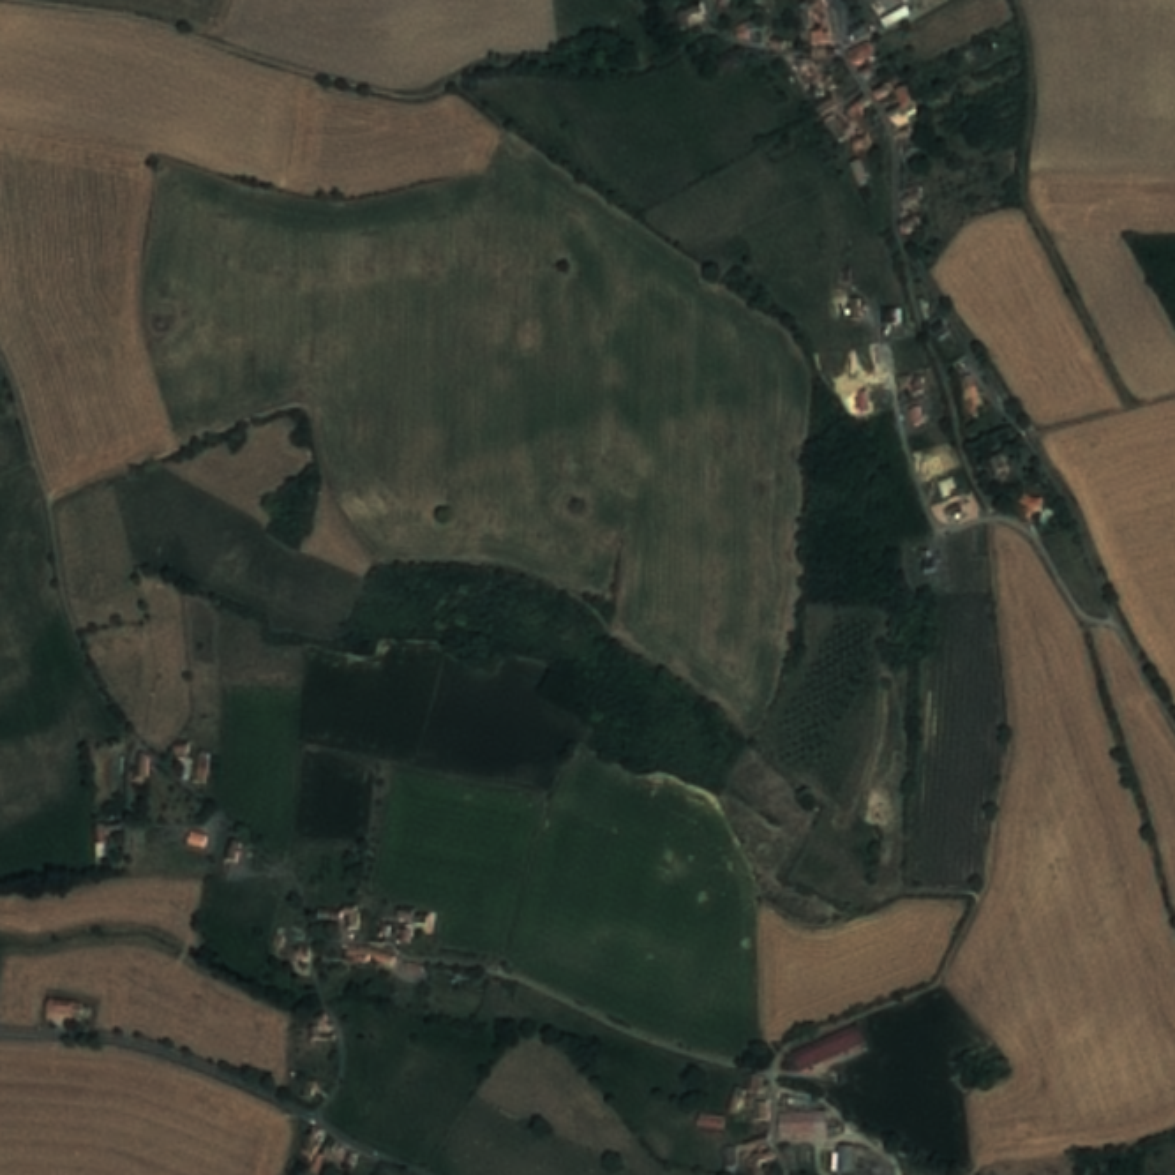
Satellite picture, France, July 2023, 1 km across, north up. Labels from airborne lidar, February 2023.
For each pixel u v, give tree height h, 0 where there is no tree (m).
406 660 0
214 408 0
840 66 8
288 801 0
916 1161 18
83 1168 0
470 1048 0
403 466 0
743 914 0
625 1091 0
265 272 0
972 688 0
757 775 0
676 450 0
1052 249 0
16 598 0
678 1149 0
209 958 16
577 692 12
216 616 0
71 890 22
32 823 0
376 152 0
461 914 0
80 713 0
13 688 0
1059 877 0
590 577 0
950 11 0
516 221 0
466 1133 0
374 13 0
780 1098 0
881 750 0
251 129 0
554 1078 0
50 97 0
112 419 0
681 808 0
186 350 0
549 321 0
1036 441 0
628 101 0
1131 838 0
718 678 0
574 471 0
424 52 0
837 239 0
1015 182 7
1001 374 0
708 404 0
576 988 0
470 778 0
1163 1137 6
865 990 0
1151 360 0
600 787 0
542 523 0
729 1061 0
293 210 0
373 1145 0
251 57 0
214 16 0
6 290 0
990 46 7
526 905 0
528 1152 0
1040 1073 0
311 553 0
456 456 0
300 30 0
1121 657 0
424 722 0
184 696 0
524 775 0
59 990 0
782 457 0
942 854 0
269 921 0
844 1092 0
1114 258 0
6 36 0
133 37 0
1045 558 0
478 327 0
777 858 0
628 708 10
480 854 0
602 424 0
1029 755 0
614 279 0
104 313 0
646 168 0
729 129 0
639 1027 0
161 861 0
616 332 0
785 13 7
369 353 0
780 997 0
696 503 0
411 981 0
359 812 0
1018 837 0
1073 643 0
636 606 0
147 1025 0
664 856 0
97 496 0
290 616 0
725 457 0
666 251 0
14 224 0
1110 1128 0
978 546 0
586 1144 0
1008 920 0
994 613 6
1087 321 0
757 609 0
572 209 0
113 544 0
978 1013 0
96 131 0
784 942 0
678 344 0
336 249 0
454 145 0
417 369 0
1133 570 0
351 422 0
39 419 0
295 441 5
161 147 0
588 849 0
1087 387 0
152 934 0
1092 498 0
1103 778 0
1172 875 0
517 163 0
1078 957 0
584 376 0
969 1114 0
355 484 0
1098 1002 0
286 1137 0
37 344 0
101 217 0
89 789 12
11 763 0
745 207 0
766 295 11
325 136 0
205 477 0
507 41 0
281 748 0
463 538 0
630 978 0
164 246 0
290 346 0
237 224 0
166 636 0
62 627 0
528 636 5
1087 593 0
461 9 0
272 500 12
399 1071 0
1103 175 0
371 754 0
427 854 0
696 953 0
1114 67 0
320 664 0
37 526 0
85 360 0
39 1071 0
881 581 9
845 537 13
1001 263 0
